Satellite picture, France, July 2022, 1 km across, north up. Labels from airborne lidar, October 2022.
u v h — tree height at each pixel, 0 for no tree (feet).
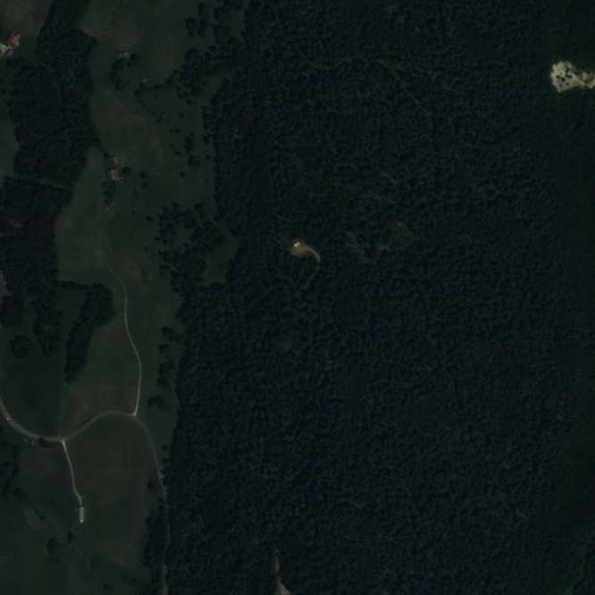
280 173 85
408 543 94
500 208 107
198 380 62
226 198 66
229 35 76
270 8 74
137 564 0
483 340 76
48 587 0
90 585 0
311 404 38
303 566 21
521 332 98
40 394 0
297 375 71
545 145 63
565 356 71
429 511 104
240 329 66
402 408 72
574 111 71
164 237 30
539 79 61
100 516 0
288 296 109
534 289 87
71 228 0
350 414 69
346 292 68
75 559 0
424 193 131
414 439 87
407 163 95
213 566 68
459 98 92
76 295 0
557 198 81
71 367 73
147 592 26
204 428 77
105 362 0
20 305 73
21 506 0
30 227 88
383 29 70
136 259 0
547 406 97
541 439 85
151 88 27
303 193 21
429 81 107
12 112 36
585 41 105
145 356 0
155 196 0
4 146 0
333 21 84
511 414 66
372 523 85
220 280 0
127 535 0
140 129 0
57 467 0
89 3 47
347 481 101
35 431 0
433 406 65
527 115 81
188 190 0
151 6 0
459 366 87
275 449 48
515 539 88
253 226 76
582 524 101
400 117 107
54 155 72
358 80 85
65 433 0
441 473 100
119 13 0
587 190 81
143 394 0
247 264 76
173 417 0
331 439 99
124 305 0
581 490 72
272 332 42
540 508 81
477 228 78
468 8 68
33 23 0
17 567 0
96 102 0
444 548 59
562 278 86
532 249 100
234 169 72
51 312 73
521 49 51
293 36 47
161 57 0
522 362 75
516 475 74
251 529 87
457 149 80
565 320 79
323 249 21
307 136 31
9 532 0
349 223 27
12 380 0
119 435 0
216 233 48
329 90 95
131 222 0
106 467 0
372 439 67
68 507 0
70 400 0
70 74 91
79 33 47
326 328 39
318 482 124
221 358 50
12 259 83
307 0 122
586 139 92
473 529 98
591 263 94
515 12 43
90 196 0
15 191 83
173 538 37
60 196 67
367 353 93
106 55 0
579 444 41
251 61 71
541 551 91
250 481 40
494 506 80
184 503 78
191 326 24
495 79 121
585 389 89
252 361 65
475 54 85
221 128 77
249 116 80
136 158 0
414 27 42
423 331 60
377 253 92
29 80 53
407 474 87
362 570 89
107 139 0
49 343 56
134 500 0
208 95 0
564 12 68
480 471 64
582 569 72
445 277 105
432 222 79
